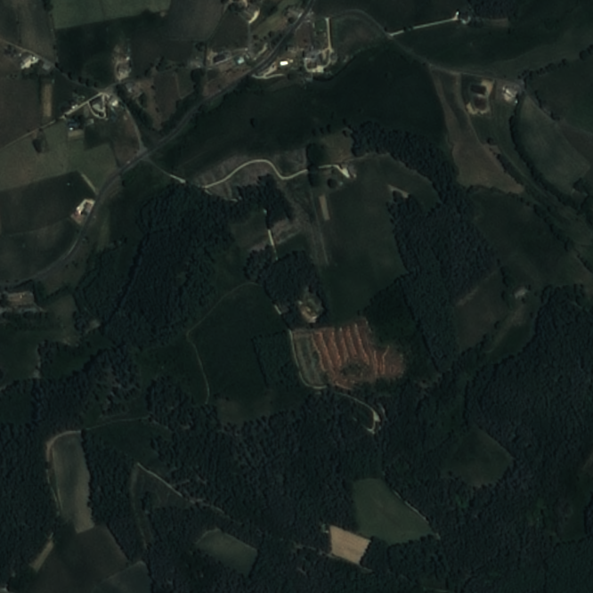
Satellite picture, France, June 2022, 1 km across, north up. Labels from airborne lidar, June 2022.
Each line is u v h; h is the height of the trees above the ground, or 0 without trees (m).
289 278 25
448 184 18
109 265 17
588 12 0
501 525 21
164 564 19
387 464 20
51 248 0
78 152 0
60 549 0
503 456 0
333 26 0
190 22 0
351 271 0
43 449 23
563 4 0
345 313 0
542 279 0
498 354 0
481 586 16
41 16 0
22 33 0
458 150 0
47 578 0
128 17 0
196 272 30
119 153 0
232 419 0
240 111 0
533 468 22
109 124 0
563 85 0
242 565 0
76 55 0
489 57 0
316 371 0
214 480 16
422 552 26
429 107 0
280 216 26
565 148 0
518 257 0
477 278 22
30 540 17
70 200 0
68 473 0
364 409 7
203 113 12
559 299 23
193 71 7
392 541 0
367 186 0
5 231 0
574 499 6
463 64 0
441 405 24
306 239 0
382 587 28
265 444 19
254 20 0
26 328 7
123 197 0
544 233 0
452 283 23
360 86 0
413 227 20
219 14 0
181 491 19
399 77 0
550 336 21
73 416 27
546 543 21
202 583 17
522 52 0
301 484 18
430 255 23
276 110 0
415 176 0
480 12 14
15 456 25
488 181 0
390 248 0
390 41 6
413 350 9
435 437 31
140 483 0
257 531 12
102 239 0
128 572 0
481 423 16
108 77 0
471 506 6
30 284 21
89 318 18
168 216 24
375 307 10
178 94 0
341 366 0
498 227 0
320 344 0
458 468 0
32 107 0
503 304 0
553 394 20
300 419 7
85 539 0
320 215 0
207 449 20
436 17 0
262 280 18
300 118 0
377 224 0
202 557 13
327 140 0
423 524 0
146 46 0
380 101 0
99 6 0
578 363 19
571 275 0
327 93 0
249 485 15
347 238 0
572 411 17
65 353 5
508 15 9
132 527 21
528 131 0
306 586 18
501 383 30
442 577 22
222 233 14
